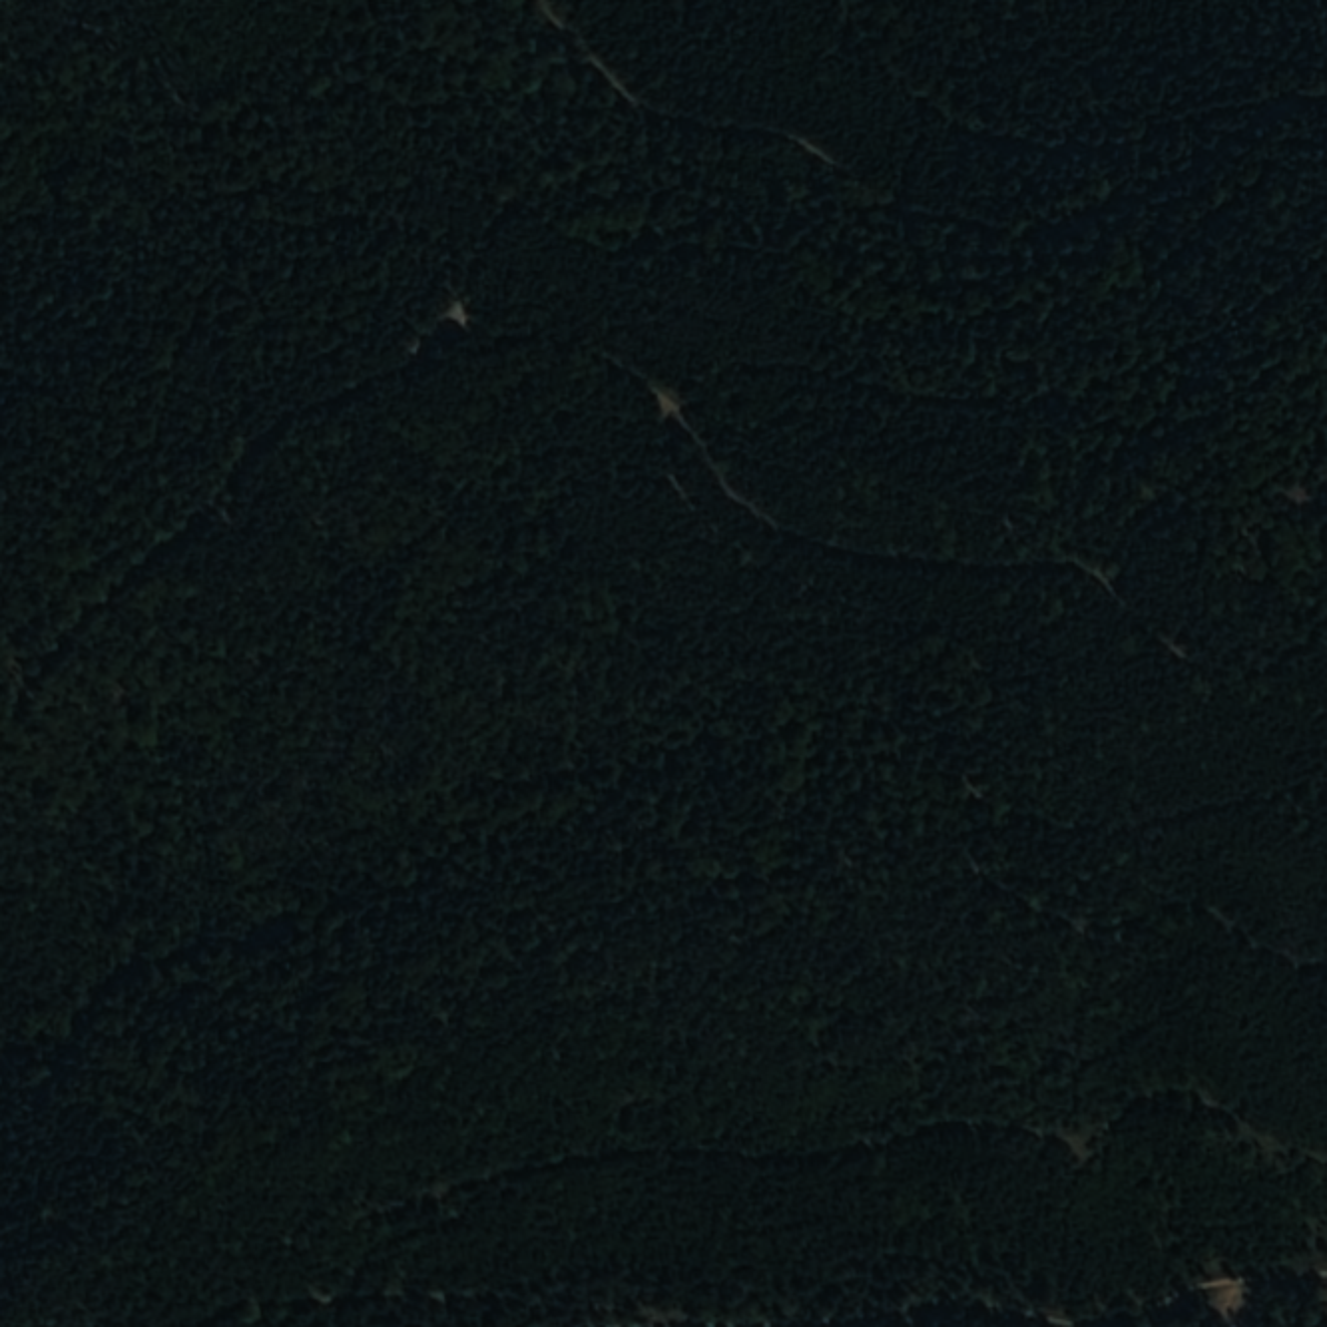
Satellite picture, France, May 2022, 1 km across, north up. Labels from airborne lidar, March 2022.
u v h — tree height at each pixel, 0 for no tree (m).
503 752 30
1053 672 24
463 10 32
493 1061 20
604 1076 17
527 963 24
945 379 22
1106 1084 19
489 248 21
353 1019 33
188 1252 22
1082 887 28
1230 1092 16
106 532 23
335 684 25
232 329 28
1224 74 37
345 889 22
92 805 29
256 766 23
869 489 21
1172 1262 17
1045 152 16
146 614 24
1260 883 15
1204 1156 11
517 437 30
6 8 22
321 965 23
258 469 22
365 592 28
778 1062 20
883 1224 17
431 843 23
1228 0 19
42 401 24
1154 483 22
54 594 26
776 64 19
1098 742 19
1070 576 22
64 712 29
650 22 24
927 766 28
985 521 16
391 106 28
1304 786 14
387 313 26
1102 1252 15
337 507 31
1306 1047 19
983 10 23
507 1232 17
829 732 24
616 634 26
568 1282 34
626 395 27
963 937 27
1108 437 20
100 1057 32
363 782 18
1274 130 40
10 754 27
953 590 22
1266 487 21
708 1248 17
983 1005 23
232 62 9
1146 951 26
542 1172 19
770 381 21
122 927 27
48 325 27
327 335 26
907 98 24
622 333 24
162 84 27
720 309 23
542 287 24
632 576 24
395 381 27
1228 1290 0
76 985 32
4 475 24
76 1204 28
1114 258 35
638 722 11
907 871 28
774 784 25
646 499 26
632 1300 12
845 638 20
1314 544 25
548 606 30
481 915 26
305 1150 13
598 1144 10
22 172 30
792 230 27
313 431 27
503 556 24
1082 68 8
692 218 22
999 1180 20
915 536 23
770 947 29
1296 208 28
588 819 31
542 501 18
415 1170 10
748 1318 7
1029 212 31
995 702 25
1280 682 23
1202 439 28
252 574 27
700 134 25
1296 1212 10
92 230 21
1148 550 25
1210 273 33
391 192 21
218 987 30
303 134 28
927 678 28
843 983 27
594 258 24
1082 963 23
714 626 27
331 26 14
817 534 19
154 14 12
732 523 23
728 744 26
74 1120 31
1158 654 32
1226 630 23
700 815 30
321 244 26
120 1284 22
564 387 25
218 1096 26
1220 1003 14
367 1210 14
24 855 25
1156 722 22
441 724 25
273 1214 18
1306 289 30
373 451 28
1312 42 28
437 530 27
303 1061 27
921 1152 29
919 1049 27
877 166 26
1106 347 34
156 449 25
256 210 28
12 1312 23
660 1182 28
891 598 22
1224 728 24
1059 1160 18
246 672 25
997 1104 7
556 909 28
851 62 21
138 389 23
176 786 20
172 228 22
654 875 22
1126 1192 16
